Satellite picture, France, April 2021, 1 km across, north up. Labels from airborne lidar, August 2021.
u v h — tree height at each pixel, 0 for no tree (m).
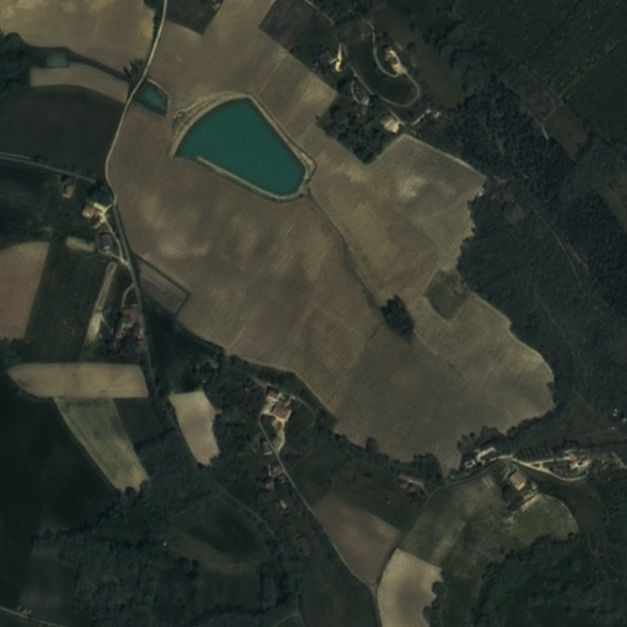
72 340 0
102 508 0
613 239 16
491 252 12
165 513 9
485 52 7
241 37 0
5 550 0
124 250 0
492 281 13
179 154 0
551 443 0
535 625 0
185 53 0
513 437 10
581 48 6
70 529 0
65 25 0
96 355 0
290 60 0
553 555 21
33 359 0
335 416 0
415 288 0
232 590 0
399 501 0
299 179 0
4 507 0
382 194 0
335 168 0
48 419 0
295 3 0
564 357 9
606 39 6
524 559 8
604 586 19
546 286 12
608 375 10
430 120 6
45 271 0
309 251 0
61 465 0
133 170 0
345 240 0
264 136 0
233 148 0
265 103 0
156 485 17
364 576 0
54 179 0
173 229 0
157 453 19
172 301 0
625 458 15
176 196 0
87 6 0
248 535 0
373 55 0
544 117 11
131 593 15
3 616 0
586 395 14
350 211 0
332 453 0
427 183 0
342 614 0
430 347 0
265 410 0
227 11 0
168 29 0
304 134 0
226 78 0
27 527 0
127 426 0
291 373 0
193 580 13
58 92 0
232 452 15
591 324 12
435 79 0
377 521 0
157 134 0
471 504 0
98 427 0
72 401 0
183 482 13
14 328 0
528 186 14
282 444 0
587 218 16
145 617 9
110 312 0
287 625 0
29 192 0
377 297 0
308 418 0
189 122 0
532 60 6
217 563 0
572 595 23
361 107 11
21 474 0
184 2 0
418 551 0
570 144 0
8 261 0
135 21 0
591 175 19
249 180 0
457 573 0
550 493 10
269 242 0
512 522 0
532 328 15
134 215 0
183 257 0
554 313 11
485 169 15
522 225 5
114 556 21
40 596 0
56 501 0
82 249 0
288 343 0
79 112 0
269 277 0
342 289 0
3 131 0
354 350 0
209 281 0
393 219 0
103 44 0
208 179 0
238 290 0
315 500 0
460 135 9
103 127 0
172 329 0
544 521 0
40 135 0
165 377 0
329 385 0
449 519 0
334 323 0
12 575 0
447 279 0
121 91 0
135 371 0
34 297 0
